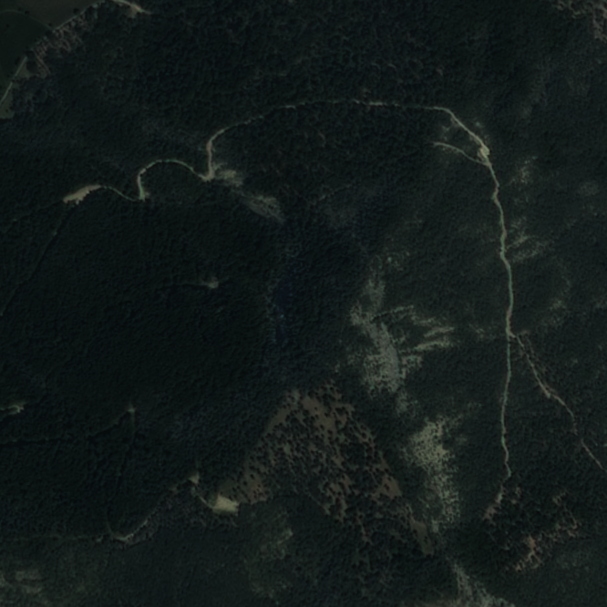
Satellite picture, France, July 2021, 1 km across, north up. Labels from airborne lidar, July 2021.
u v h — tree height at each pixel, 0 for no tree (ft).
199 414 31
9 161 71
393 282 22
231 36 48
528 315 30
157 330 86
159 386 52
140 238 61
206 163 23
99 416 42
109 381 52
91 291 66
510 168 19
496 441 29
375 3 71
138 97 57
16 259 52
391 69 73
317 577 26
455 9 52
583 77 24
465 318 20
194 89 58
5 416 26
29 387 59
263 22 45
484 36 20
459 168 41
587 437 40
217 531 41
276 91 58
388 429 52
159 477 31
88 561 25
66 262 57
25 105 33
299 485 51
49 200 51
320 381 23
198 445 37
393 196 37
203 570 29
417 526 0
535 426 41
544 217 31
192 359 74
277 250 50
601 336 23
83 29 51
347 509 27
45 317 66
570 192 33
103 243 57
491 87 34
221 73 69
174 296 76
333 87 51
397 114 50
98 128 47
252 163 42
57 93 39
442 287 21
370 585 41
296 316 43
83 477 75
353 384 48
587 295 28
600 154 44
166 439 38
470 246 30
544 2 43
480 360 31
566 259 20
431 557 53
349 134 60
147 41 66
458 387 18
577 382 25
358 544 32
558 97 32
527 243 22
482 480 19
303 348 39
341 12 47
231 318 89
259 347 50
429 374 26
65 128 28
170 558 49
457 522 20
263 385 50
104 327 73
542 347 30
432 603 0
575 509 52
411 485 36
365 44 41
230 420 19
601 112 45
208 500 41
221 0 64
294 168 45
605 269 46
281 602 26
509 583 36
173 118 33
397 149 52
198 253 38
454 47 52
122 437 54
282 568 30
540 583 24
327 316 38
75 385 44
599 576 20
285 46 74
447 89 41
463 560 30
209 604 41
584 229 24
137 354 82
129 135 43
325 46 37
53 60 64
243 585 26
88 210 52
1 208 49
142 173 22
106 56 25
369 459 34
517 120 21
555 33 40
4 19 0
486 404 23
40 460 70
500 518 58
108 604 32
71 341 79
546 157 36
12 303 54
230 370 75
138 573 44
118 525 36
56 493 40
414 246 33
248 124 19
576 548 21
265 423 30
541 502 36
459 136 30
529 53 50
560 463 48
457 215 35
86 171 43
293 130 60
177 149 43
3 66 0
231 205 38
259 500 21
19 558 26
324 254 74
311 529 36
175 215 60
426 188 30
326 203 19
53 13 0
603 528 41
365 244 27
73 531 28
